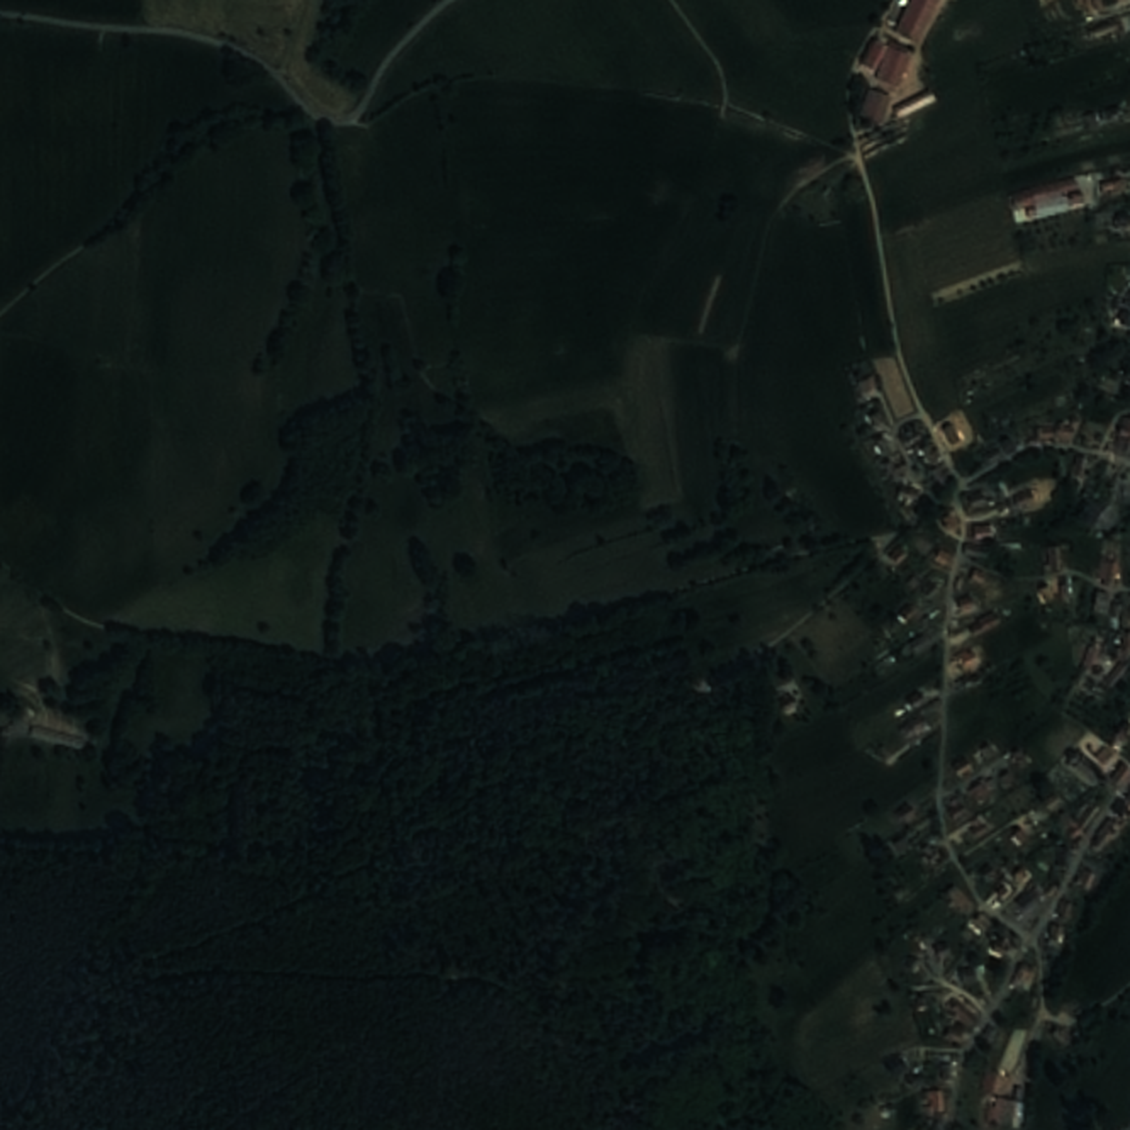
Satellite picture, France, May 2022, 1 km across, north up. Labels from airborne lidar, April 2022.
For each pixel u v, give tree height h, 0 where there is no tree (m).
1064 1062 0
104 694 23
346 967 14
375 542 0
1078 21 0
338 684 25
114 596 0
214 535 0
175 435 0
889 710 0
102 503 0
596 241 0
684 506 0
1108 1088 0
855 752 0
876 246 0
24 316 0
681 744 17
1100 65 0
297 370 0
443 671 20
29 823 0
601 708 22
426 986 17
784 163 0
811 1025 0
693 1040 29
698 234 0
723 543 13
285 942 14
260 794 18
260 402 0
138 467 0
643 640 11
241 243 0
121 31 0
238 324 0
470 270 0
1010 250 0
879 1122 0
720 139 0
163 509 0
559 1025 22
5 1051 15
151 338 0
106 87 0
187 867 13
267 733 21
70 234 0
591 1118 18
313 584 0
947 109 0
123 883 16
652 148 0
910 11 0
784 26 0
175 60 0
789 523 13
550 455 17
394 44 0
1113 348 12
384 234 0
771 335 0
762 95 0
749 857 19
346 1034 22
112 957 9
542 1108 20
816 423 0
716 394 0
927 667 0
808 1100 17
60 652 0
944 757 0
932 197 0
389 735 20
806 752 0
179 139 12
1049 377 0
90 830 0
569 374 0
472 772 22
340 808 28
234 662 11
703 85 0
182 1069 16
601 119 0
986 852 0
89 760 13
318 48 8
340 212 16
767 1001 0
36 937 15
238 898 17
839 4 0
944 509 6
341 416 20
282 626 0
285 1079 18
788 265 0
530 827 23
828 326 0
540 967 7
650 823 24
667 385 0
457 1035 21
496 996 19
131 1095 12
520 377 0
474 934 13
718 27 0
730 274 0
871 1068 0
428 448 27
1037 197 0
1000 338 0
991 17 0
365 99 0
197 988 15
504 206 0
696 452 0
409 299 0
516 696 21
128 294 0
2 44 0
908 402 0
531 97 0
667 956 23
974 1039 0
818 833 0
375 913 11
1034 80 0
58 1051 28
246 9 0
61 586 0
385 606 0
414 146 0
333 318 0
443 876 26
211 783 24
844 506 0
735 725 20
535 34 0
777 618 0
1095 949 0
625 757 15
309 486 22
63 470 0
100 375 0
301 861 15
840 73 0
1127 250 0
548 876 28
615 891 31
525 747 28
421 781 21
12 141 0
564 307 0
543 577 0
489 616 0
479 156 0
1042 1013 0
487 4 0
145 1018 10
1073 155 0
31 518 0
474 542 0
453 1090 20
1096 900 16
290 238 0
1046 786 17
